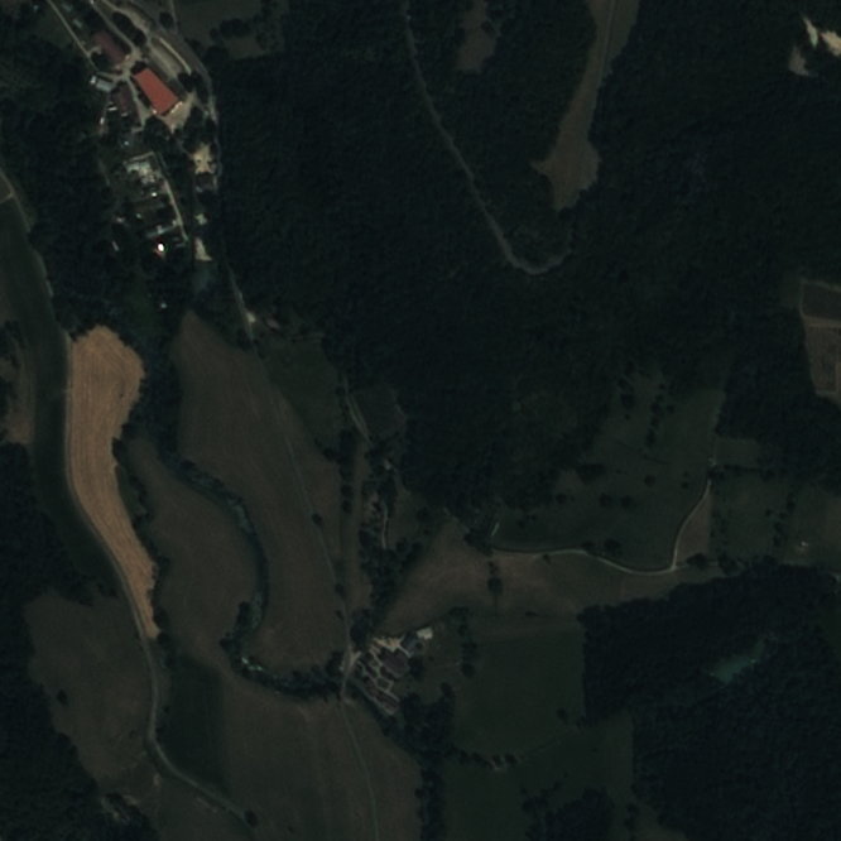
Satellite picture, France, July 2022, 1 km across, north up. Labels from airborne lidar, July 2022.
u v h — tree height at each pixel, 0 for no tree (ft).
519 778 0
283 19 20
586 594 0
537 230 55
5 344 34
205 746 0
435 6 50
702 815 78
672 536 0
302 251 39
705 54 55
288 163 29
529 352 58
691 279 78
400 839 0
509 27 55
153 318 0
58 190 58
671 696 116
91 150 38
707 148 79
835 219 67
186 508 0
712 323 73
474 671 37
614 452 0
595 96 0
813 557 0
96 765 0
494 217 44
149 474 0
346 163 61
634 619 74
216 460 0
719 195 73
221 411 0
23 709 90
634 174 73
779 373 77
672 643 59
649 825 0
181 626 0
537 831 58
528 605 0
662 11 62
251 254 53
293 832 35
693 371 47
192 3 0
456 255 60
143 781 0
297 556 0
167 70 0
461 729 0
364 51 59
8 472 86
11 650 88
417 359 74
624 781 0
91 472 0
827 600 83
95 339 0
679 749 51
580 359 73
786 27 63
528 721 0
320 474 0
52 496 0
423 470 69
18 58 34
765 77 72
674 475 0
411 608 0
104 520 0
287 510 0
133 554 0
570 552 0
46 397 0
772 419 51
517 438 42
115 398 0
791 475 72
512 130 57
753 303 58
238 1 0
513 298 57
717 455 0
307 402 0
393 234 64
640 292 50
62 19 0
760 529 0
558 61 44
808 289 0
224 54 51
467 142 56
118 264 48
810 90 82
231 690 0
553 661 0
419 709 53
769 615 89
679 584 0
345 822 0
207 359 0
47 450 0
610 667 71
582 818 64
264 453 0
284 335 21
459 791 0
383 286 78
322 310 66
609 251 86
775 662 90
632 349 61
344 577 0
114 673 0
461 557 0
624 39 0
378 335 69
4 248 0
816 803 71
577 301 60
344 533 0
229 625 0
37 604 0
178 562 0
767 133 63
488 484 56
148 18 0
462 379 79
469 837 0
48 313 0
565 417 31
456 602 0
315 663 0
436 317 61
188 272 63
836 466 54
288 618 0
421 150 73
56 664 0
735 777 83
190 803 0
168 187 0
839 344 0
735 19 56
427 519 69
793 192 66
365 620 72
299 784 0
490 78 54
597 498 0
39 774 98
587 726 52
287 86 75
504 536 0
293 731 0
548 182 62
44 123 50
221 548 0
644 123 55
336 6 45
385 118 70
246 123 79
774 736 90
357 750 0
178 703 0
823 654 76
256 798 0
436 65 63
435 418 72
